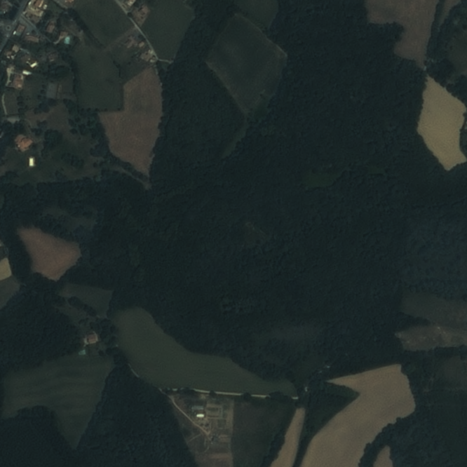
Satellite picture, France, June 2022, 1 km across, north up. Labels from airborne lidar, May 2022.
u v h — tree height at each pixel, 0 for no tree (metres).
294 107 23
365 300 21
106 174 16
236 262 17
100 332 10
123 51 0
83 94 0
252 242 0
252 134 20
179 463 17
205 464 0
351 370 18
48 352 18
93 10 0
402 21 0
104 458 25
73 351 12
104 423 25
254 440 0
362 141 23
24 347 20
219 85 15
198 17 9
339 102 21
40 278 18
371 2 0
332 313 17
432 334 0
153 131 0
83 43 0
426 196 14
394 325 22
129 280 20
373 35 22
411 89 19
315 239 24
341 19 24
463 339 0
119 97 0
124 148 0
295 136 25
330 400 11
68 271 8
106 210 19
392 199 26
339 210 20
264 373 17
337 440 0
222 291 19
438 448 24
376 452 19
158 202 26
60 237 12
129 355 0
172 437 21
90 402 0
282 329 6
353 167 14
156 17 0
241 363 17
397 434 18
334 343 14
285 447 0
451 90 15
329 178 0
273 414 0
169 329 17
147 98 0
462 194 13
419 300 0
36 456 30
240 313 16
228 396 0
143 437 19
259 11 0
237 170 23
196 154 13
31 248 0
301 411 0
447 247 24
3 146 19
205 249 9
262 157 24
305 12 24
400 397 0
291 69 17
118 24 0
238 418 0
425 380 7
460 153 0
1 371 20
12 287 0
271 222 20
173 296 26
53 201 22
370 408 0
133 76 0
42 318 18
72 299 15
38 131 18
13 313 24
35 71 6
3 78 7
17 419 19
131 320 0
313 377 8
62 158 7
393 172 18
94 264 14
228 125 12
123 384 23
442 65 18
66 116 0
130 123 0
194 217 17
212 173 22
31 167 0
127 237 22
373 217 23
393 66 19
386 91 22
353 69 18
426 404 20
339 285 22
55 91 0
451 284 24
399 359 19
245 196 18
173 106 12
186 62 12
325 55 20
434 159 13
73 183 16
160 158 14
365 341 16
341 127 18
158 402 22
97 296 0
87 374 0
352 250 24
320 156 22
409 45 0
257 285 20
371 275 21
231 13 16
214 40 13
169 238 21
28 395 0
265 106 0
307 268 22
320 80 25
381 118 21
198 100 13
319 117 20
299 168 18
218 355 14
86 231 13
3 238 22
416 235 24
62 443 34
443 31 15
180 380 0
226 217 13
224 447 0
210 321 22
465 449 6
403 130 24
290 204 22
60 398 0
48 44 13
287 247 27
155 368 0
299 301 25
